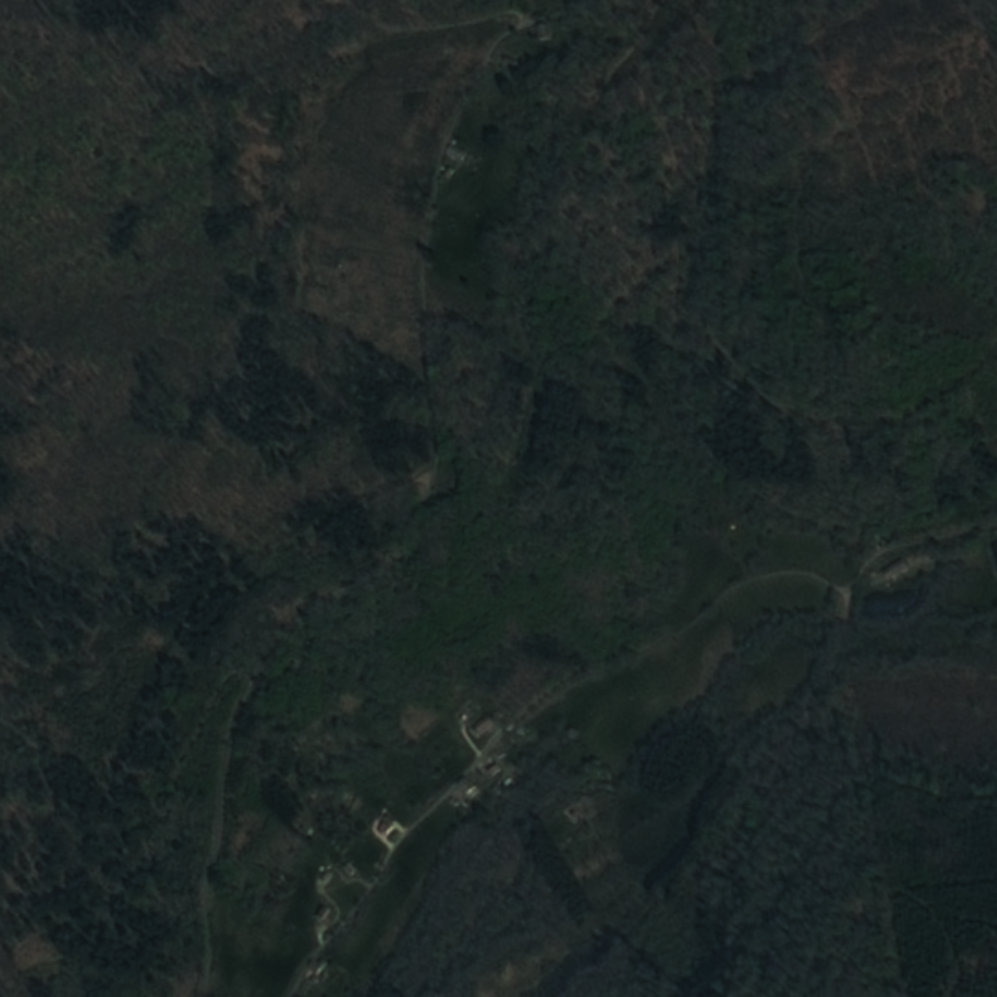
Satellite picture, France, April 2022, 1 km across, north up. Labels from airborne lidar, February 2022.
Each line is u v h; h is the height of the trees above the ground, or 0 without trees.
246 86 16
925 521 20
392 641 17
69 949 35
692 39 34
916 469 19
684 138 30
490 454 29
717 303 27
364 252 0
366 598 24
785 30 24
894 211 20
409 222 0
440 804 0
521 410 26
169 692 23
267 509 19
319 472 16
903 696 0
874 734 0
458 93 0
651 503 24
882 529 18
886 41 7
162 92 22
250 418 31
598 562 11
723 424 22
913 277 6
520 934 15
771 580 0
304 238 21
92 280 18
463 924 17
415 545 28
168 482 18
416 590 16
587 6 25
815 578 0
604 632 17
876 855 17
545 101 31
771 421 23
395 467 23
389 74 0
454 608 17
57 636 22
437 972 16
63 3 22
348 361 24
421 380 23
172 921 27
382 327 0
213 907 0
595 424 24
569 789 19
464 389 29
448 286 0
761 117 31
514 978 0
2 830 23
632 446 24
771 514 25
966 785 0
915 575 0
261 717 27
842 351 12
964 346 12
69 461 19
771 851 27
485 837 20
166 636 26
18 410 24
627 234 27
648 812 0
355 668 31
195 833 23
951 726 0
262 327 25
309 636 20
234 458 13
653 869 0
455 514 25
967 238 20
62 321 15
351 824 9
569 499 26
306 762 8
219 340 19
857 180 0
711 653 0
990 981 10
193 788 8
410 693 27
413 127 0
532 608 14
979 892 10
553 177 25
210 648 29
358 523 27
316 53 15
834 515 21
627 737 0
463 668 17
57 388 22
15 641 25
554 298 22
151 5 20
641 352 28
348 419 19
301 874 0
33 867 24
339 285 0
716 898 23
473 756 0
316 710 17
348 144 0
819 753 26
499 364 32
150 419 17
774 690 0
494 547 19
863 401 18
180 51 21
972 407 26
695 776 24
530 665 22
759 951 30
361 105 0
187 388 17
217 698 27
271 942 0
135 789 31
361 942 0
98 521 15
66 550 19
